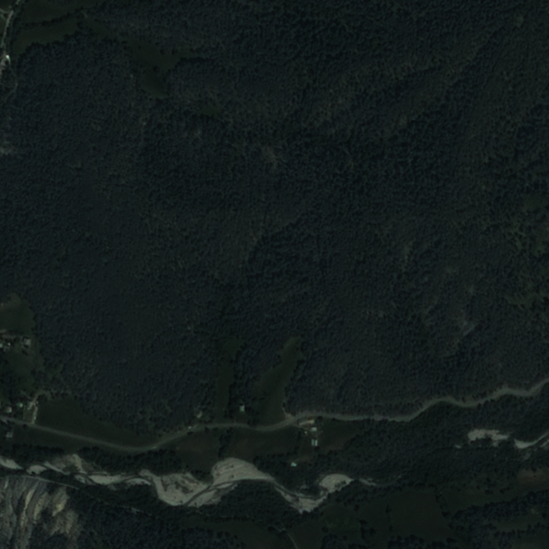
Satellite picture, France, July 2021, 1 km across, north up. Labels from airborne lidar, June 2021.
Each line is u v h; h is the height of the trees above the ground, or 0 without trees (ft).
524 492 0
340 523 0
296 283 52
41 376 43
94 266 37
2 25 0
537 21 28
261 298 49
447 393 47
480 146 46
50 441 0
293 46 69
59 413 0
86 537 31
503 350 23
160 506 31
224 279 51
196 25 45
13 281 56
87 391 25
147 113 34
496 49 39
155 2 63
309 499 0
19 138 39
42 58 63
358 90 50
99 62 56
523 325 23
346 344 24
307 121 42
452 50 29
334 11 42
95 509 48
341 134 49
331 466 25
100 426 0
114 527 59
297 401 34
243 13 59
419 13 51
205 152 58
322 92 46
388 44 49
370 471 19
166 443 0
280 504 31
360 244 44
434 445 25
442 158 39
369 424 41
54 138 58
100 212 37
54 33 0
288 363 0
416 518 0
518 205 30
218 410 0
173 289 61
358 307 37
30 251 32
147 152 56
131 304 43
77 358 44
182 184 58
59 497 0
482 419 34
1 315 0
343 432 0
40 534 28
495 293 44
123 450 0
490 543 55
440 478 38
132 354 47
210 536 57
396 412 35
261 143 25
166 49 29
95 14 36
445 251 36
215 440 0
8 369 24
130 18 26
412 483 46
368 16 36
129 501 27
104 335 36
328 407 31
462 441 20
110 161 44
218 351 50
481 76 31
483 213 61
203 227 40
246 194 60
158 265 38
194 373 55
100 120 53
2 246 52
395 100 43
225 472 0
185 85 27
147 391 46
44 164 59
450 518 57
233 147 58
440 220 37
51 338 41
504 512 37
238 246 31
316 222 42
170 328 49
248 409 72
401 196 50
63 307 41
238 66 24
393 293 39
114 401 45
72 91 53
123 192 44
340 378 30
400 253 30
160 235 32
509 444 29
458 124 40
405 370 51
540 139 28
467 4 52
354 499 33
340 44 51
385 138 27
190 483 0
